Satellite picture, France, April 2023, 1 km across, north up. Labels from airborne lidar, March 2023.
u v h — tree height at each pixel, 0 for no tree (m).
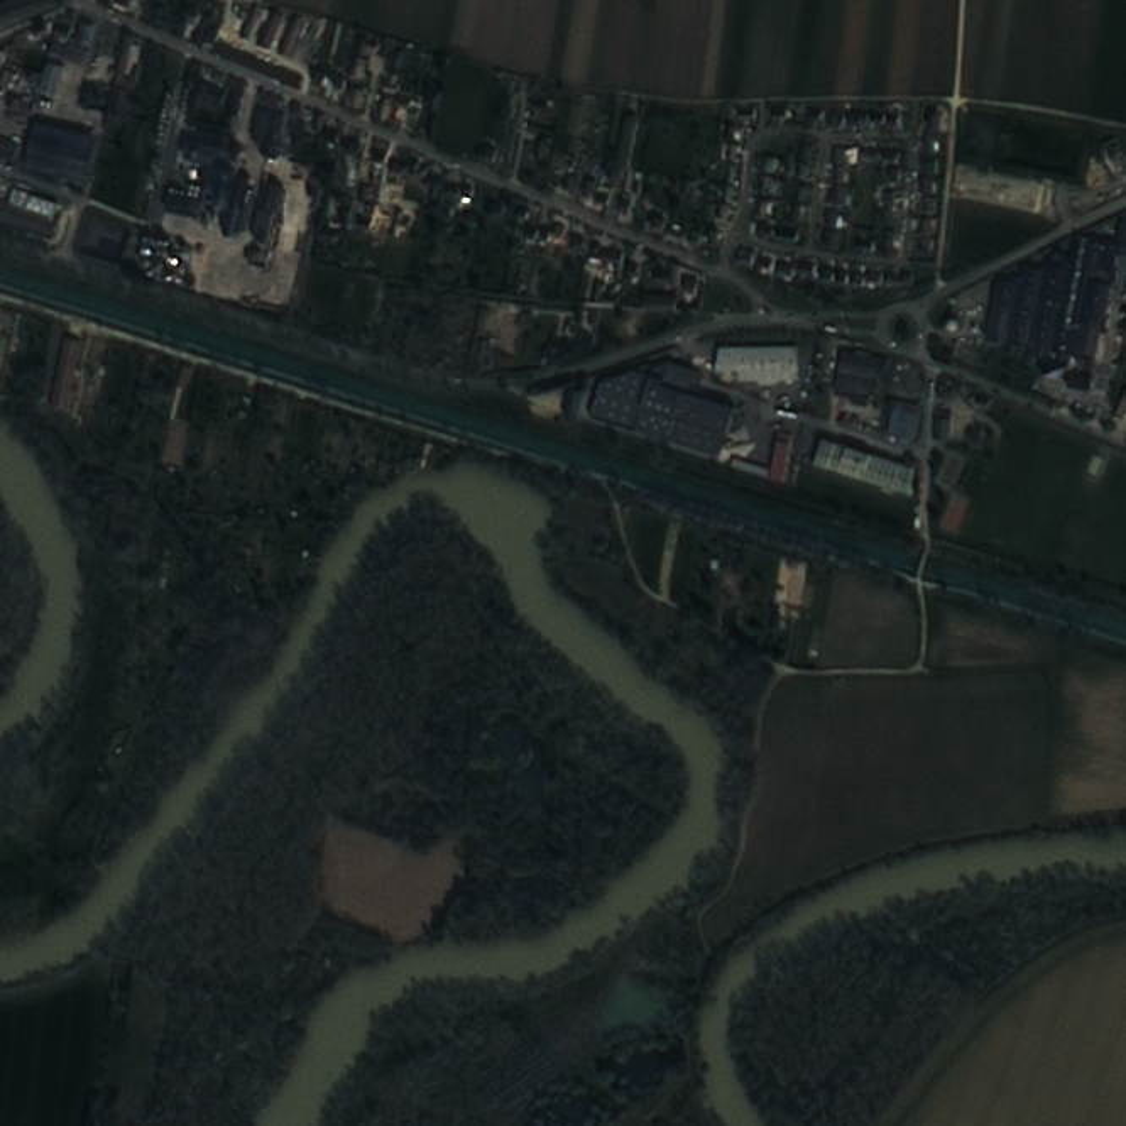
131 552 12
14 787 39
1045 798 0
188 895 32
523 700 18
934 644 0
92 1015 0
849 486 0
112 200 0
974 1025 0
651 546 0
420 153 0
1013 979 0
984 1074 0
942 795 0
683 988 8
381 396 0
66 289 0
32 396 17
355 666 33
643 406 0
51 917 6
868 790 0
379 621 32
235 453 0
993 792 0
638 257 0
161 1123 16
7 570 29
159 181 0
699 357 0
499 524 0
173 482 6
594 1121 10
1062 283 0
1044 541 0
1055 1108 0
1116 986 0
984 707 0
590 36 0
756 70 0
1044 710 0
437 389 10
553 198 0
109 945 13
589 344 15
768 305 0
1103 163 0
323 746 30
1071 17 0
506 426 0
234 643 27
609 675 0
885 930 18
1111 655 0
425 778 20
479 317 9
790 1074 27
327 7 0
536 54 0
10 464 0
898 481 0
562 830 10
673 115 12
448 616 32
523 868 19
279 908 34
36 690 0
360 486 15
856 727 0
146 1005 0
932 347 7
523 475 14
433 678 28
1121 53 0
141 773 12
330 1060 0
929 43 0
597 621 14
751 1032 16
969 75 0
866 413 0
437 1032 13
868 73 0
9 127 0
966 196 0
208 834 30
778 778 0
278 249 0
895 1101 22
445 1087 9
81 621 9
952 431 0
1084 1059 0
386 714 30
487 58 0
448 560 30
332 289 0
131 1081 0
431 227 12
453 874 0
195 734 22
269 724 0
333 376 0
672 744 17
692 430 0
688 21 0
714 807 0
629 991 0
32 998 0
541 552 13
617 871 10
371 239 0
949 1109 0
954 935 12
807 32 0
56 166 0
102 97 6
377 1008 0
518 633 23
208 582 15
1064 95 0
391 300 8
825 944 20
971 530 0
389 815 15
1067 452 0
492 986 10
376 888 0
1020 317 0
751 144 0
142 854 0
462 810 18
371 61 0
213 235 0
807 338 8
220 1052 22
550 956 0
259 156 0
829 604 0
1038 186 0
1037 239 0
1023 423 0
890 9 0
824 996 32
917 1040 29
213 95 0
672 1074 19
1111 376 0
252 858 34
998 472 0
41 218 0
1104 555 0
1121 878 9
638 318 0
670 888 0
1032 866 0
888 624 0
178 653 14
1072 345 0
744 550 7
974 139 0
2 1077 0
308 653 0
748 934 14
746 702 21
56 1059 0
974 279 0
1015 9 0
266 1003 19
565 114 0
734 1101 0
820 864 0
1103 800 0
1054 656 0
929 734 0
